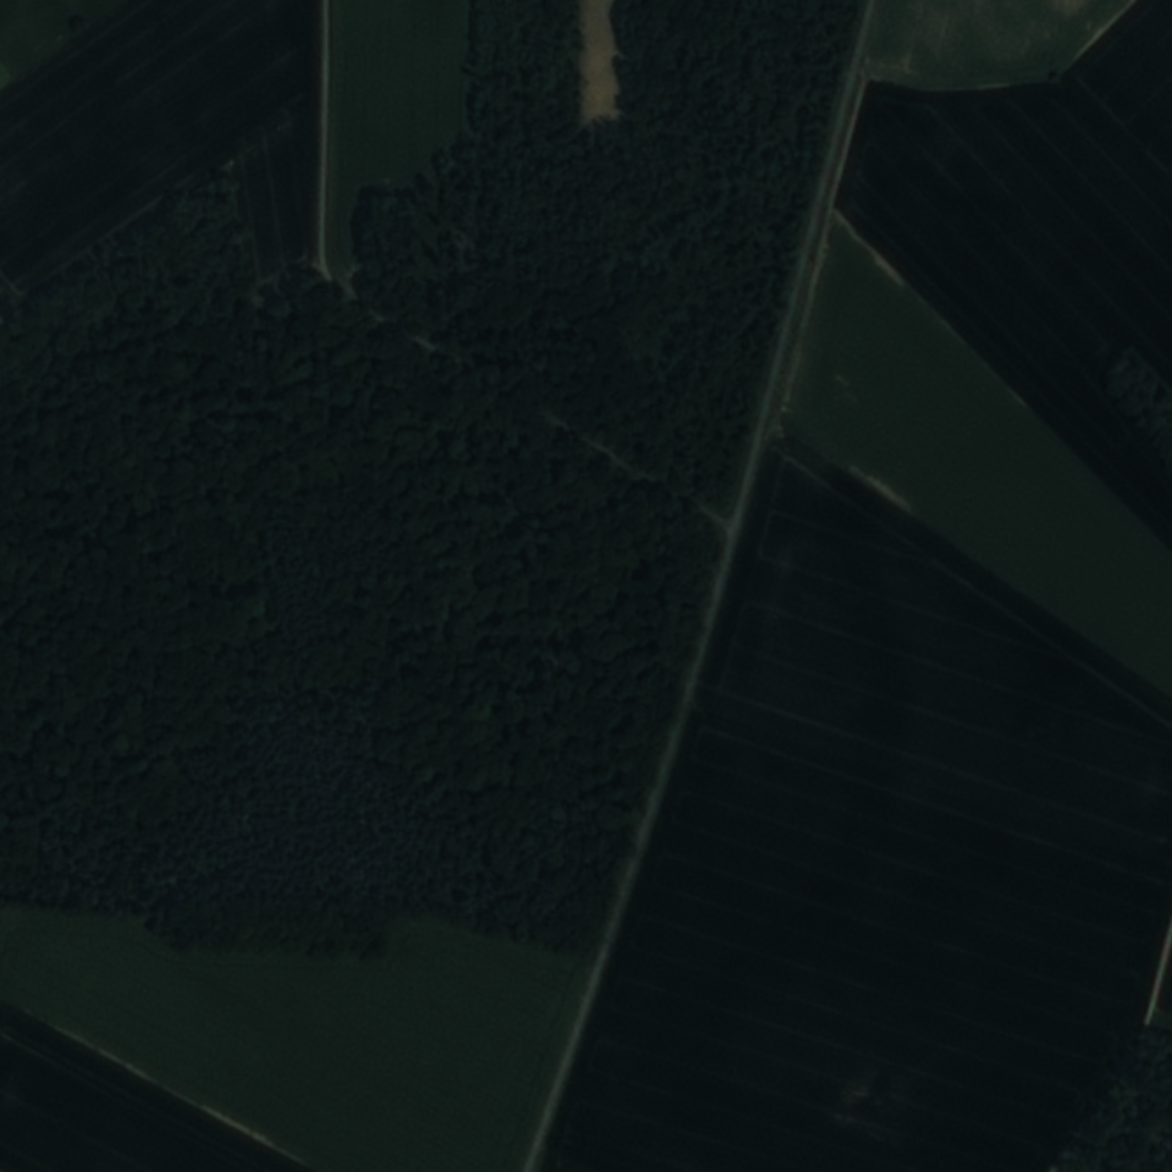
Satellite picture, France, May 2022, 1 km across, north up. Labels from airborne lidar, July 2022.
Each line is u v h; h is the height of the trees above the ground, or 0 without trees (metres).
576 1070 0
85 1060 0
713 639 0
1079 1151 21
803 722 0
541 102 17
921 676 0
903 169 0
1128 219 0
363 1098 0
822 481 0
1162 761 0
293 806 24
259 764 23
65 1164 0
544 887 23
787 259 9
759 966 0
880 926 0
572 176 23
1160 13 0
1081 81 0
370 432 28
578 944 25
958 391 0
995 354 0
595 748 27
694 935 0
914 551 0
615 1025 0
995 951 0
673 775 0
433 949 0
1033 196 0
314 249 0
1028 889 0
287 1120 0
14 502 29
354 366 25
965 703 0
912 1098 0
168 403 28
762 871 0
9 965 0
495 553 27
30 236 0
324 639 26
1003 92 0
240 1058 0
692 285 10
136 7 0
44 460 29
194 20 0
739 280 10
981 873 0
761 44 21
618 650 26
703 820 0
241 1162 0
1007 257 0
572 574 29
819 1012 0
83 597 31
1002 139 0
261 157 0
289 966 0
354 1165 0
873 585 0
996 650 0
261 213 0
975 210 0
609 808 34
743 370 10
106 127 0
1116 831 0
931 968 0
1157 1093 30
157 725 28
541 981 0
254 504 22
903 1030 0
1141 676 0
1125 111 0
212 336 32
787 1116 0
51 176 0
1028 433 0
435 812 17
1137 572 0
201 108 0
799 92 26
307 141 0
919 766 0
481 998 0
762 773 0
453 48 0
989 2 0
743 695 0
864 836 0
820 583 0
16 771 26
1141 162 0
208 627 27
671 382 21
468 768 30
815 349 0
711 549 26
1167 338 0
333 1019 0
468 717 30
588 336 29
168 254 26
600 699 25
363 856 24
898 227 0
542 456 29
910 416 0
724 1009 0
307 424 29
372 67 0
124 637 31
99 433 27
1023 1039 0
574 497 27
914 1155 0
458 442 29
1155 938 0
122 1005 0
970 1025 0
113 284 21
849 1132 0
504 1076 0
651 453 24
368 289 25
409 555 21
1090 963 0
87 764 30
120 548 29
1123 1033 0
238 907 26
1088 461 0
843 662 0
